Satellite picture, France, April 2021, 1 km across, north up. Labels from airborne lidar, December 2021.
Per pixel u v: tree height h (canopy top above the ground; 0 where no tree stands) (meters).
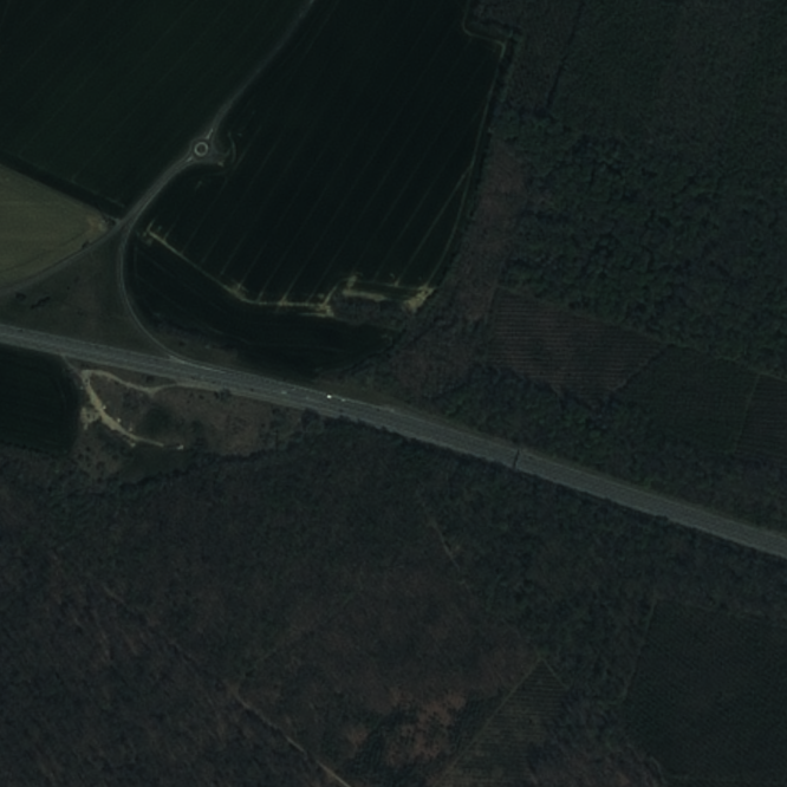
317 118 0
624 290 19
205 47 0
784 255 24
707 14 18
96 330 0
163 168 0
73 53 0
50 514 16
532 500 23
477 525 26
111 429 0
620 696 19
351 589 14
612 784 33
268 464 14
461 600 16
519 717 0
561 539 27
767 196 24
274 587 16
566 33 8
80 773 30
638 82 14
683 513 0
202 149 0
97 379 0
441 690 12
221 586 16
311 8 0
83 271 0
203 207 0
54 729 32
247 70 0
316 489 16
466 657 14
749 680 8
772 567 14
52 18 0
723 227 24
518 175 12
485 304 11
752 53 18
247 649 17
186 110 0
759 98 15
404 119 0
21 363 0
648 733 9
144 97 0
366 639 15
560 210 11
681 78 17
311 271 0
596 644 20
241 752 29
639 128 14
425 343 10
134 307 0
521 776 0
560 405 23
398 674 14
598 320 22
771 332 23
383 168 0
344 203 0
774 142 14
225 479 15
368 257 0
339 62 0
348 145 0
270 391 0
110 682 31
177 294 0
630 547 25
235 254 0
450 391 11
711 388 9
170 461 0
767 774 8
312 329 0
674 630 9
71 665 34
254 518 16
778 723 7
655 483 18
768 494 26
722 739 7
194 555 16
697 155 18
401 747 5
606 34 14
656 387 10
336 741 10
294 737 9
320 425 19
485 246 10
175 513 19
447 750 0
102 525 16
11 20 0
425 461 18
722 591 27
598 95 14
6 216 0
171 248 0
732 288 25
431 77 0
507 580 21
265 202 0
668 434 10
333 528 17
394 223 0
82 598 15
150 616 15
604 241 22
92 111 0
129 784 27
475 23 15
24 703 32
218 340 0
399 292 0
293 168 0
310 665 11
